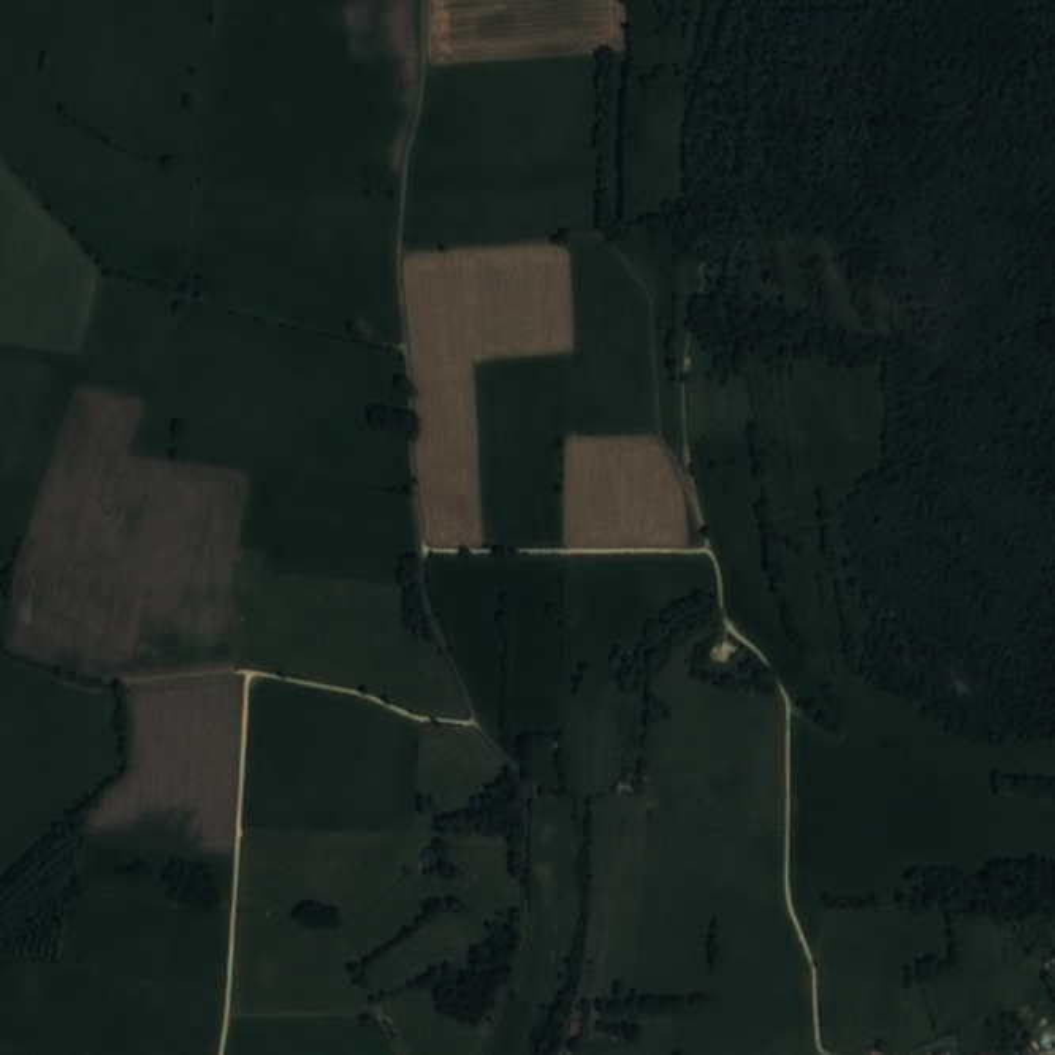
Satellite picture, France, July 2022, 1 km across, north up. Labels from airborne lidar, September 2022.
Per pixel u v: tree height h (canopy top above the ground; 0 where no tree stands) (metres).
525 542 0
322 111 0
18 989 0
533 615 0
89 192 0
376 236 0
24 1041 0
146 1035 0
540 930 0
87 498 0
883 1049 11
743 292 15
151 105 0
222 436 0
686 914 0
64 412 0
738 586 0
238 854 0
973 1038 0
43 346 0
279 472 0
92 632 0
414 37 0
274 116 0
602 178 8
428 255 0
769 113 17
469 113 0
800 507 0
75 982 0
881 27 17
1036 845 0
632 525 0
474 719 0
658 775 0
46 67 10
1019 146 7
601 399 0
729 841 0
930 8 12
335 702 0
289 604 0
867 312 9
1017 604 7
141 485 0
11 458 0
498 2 0
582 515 0
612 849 0
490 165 0
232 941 0
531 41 0
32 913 28
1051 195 8
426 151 0
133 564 0
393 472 0
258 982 0
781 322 8
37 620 0
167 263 0
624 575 0
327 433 0
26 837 0
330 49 0
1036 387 6
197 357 0
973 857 0
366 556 0
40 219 0
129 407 0
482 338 0
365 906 0
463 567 0
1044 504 7
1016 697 8
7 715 0
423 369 0
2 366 0
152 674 0
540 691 0
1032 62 15
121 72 0
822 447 0
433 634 13
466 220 0
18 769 0
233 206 0
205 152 0
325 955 0
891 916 0
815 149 14
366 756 0
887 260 6
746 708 0
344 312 0
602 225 12
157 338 0
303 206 0
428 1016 0
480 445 0
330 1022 0
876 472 9
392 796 0
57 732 0
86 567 0
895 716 0
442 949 0
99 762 0
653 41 0
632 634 0
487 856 0
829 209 13
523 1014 0
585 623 0
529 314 0
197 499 0
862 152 11
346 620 0
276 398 0
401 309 0
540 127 0
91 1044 0
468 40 0
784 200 8
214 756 0
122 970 0
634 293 0
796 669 0
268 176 0
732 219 15
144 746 0
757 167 14
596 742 0
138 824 0
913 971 10
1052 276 6
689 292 0
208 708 0
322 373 0
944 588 7
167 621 0
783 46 24
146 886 0
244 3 0
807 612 0
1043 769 0
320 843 0
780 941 0
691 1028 0
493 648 0
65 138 0
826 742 0
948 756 0
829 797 0
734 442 0
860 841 0
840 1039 0
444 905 19
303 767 0
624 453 0
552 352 0
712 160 16
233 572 0
